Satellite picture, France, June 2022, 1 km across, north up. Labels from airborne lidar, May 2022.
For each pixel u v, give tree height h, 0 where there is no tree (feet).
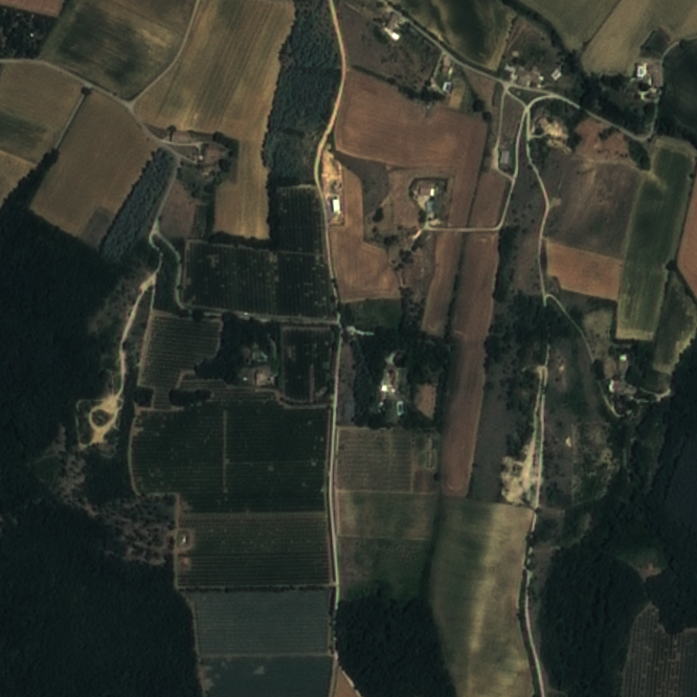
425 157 0
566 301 0
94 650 37
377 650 69
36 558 33
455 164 0
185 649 43
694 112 0
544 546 0
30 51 39
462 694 0
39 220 26
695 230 0
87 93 26
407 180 0
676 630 48
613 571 41
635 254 0
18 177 0
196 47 0
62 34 0
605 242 0
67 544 40
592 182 0
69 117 0
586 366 0
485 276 0
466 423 0
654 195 0
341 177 0
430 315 0
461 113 0
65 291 42
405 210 0
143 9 0
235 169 0
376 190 0
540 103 23
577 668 63
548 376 0
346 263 0
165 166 40
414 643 72
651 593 40
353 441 0
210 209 24
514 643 0
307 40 31
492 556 0
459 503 0
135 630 39
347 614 24
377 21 28
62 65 0
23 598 52
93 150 0
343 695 0
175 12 0
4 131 0
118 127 0
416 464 0
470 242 0
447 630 0
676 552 58
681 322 0
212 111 0
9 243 42
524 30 0
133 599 26
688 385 53
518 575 0
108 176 0
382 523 0
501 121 0
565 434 0
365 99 0
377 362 49
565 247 0
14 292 50
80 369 41
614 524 71
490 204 0
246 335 55
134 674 38
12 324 43
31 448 45
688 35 0
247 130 0
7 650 33
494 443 0
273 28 0
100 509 31
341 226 0
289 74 35
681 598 59
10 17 24
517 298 20
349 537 0
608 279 0
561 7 0
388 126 0
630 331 0
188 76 0
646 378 32
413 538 0
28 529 44
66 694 48
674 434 58
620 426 20
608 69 0
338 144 0
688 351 33
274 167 32
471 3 0
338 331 26
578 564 51
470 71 0
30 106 0
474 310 0
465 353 0
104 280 18
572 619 46
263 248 36
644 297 0
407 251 24
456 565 0
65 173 0
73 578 30
